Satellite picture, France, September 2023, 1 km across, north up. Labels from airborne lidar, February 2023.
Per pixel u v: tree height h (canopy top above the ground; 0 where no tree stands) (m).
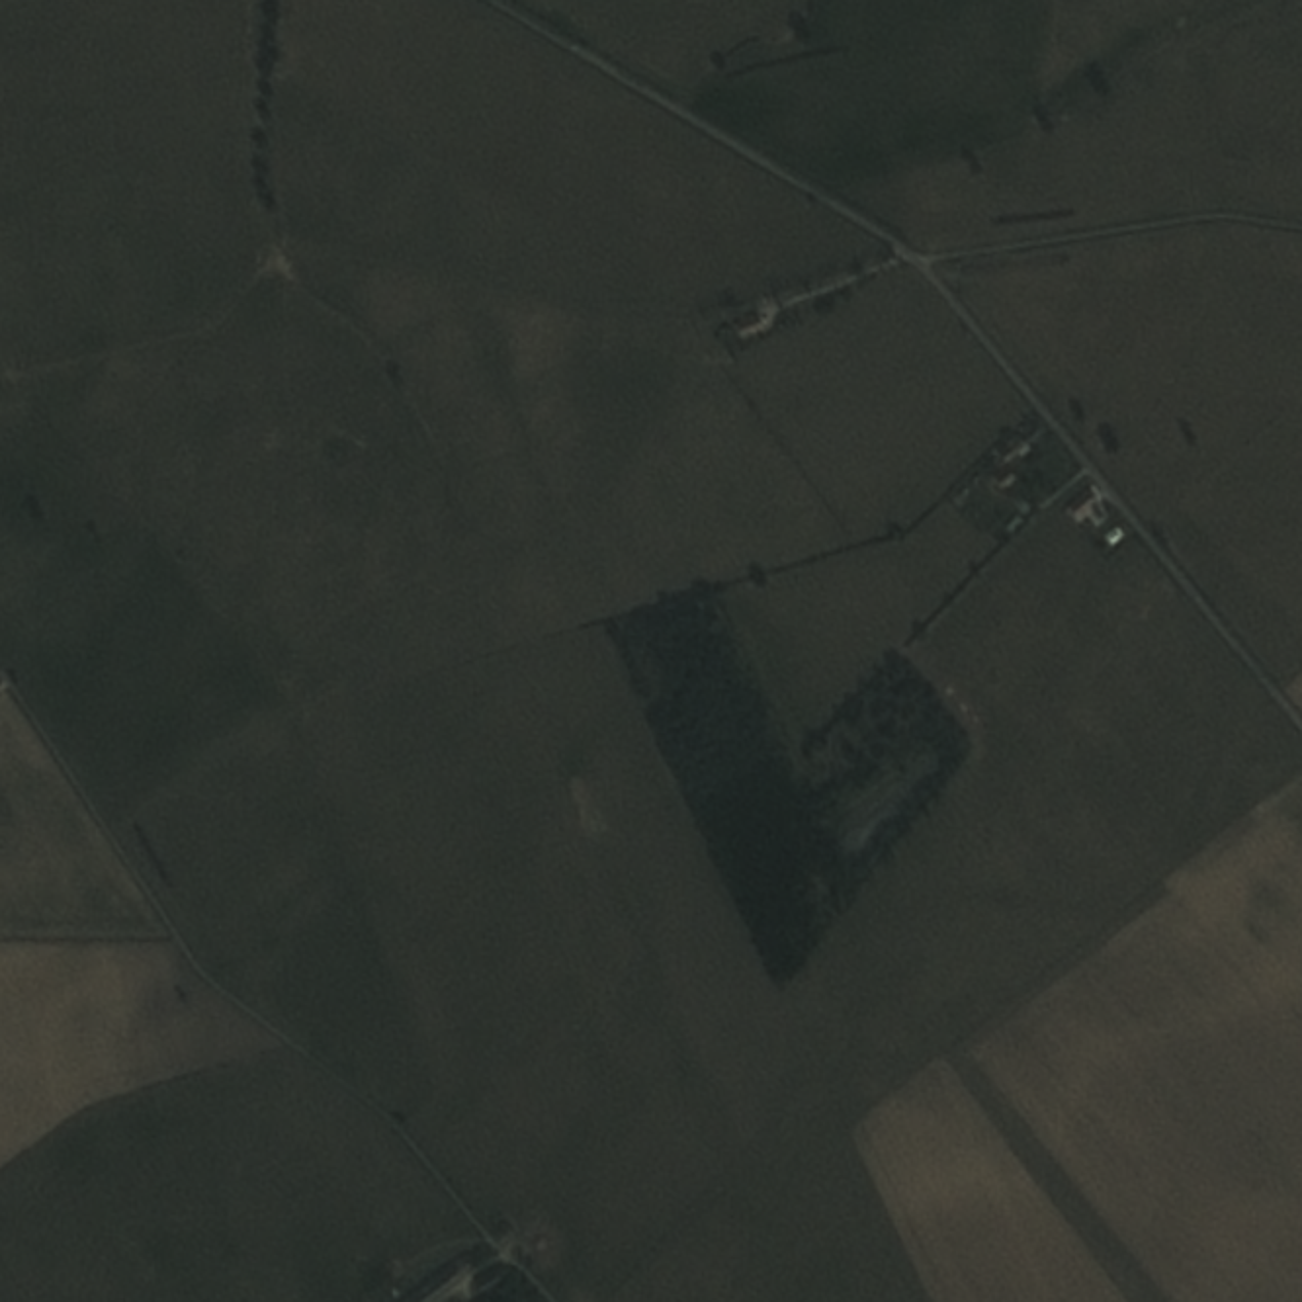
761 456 0
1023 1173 0
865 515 0
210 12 0
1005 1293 0
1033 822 0
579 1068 0
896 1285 0
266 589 0
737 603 0
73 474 0
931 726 6
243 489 0
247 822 0
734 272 0
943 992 0
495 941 0
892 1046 0
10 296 0
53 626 0
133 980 0
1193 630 0
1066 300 0
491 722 0
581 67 0
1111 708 0
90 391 0
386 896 0
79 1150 0
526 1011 0
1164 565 0
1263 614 0
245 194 0
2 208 0
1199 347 0
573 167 0
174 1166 0
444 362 0
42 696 0
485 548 0
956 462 0
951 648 0
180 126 0
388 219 0
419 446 0
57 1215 0
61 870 0
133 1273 0
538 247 0
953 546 0
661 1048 0
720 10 0
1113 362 0
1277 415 0
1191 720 0
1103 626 0
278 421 0
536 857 0
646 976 0
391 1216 0
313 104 0
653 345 0
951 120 0
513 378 0
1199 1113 0
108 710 0
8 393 0
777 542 0
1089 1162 0
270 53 13
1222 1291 0
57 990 0
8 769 0
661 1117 0
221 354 0
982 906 0
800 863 17
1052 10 0
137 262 0
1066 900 0
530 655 0
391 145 0
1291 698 0
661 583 0
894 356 0
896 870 0
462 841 0
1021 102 0
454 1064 0
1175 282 0
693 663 13
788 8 0
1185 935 0
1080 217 0
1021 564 0
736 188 0
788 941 14
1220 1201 0
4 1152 0
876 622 0
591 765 0
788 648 0
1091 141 0
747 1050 0
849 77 0
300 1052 0
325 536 0
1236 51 0
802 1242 0
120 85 0
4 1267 0
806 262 0
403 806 0
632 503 0
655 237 0
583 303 0
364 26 0
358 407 0
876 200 0
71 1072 0
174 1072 0
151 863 0
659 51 0
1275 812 0
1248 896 0
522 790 0
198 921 0
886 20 0
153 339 0
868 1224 0
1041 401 0
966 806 0
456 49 0
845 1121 0
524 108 0
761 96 0
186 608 0
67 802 0
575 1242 0
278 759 0
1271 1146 0
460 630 0
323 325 0
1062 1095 0
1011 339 0
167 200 0
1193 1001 0
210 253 0
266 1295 0
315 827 0
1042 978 0
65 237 0
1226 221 0
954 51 0
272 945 0
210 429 0
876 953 0
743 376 0
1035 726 0
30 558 0
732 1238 0
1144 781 0
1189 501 0
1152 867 0
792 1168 0
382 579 0
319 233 0
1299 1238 0
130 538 0
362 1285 0
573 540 0
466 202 0
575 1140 0
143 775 0
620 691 0
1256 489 0
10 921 0
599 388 0
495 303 0
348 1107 0
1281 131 0
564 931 0
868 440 0
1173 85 0
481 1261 8
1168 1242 0
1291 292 0
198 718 0
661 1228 0
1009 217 0
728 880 14
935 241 0
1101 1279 0
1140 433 0
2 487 0
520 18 0
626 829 0
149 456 0
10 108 0
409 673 0
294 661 0
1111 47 0
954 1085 0
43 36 0
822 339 0
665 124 0
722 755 18
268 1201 0
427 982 0
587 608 0
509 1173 0
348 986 0
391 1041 0
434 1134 0
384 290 0
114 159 0
